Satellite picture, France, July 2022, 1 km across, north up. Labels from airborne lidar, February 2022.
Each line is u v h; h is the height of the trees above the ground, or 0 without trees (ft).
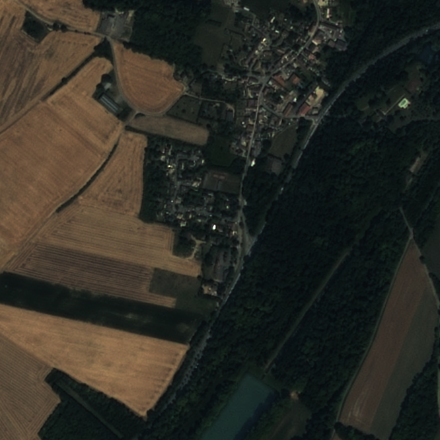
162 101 0
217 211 25
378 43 61
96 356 0
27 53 0
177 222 27
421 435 40
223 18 0
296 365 79
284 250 80
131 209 0
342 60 54
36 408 0
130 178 0
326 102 37
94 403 42
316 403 74
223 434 0
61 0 0
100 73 0
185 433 75
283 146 0
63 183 0
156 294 0
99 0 72
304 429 0
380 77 87
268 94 23
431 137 22
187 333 0
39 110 0
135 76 0
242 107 0
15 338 0
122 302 0
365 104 0
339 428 65
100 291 0
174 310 0
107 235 0
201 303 0
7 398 0
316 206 69
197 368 25
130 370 0
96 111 0
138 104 0
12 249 0
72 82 0
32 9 0
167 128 0
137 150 0
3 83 0
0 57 0
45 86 0
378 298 88
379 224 85
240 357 66
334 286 56
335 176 65
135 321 0
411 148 26
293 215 100
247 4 0
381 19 83
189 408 80
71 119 0
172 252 0
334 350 88
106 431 54
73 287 0
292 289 91
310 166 64
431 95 43
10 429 0
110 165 0
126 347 0
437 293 0
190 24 43
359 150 85
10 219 0
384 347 0
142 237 0
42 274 0
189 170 28
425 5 50
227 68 52
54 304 0
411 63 57
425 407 66
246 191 48
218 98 21
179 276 0
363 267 77
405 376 0
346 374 72
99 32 0
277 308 77
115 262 0
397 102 0
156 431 77
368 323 82
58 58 0
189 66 59
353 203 72
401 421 26
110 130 0
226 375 70
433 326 0
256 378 0
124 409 60
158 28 41
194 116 0
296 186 52
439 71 48
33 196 0
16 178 0
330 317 26
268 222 38
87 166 0
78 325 0
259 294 79
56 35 0
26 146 0
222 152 0
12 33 0
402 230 81
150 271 0
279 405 117
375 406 0
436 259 0
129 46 42
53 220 0
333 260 51
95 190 0
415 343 0
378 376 0
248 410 0
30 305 0
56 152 0
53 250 0
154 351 0
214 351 75
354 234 51
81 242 0
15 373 0
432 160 39
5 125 0
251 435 124
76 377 0
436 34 77
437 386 54
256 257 80
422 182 36
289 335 0
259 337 79
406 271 0
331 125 77
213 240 0
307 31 39
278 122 0
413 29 57
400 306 0
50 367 0
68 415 50
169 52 30
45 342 0
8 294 0
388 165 78
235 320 40
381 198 71
